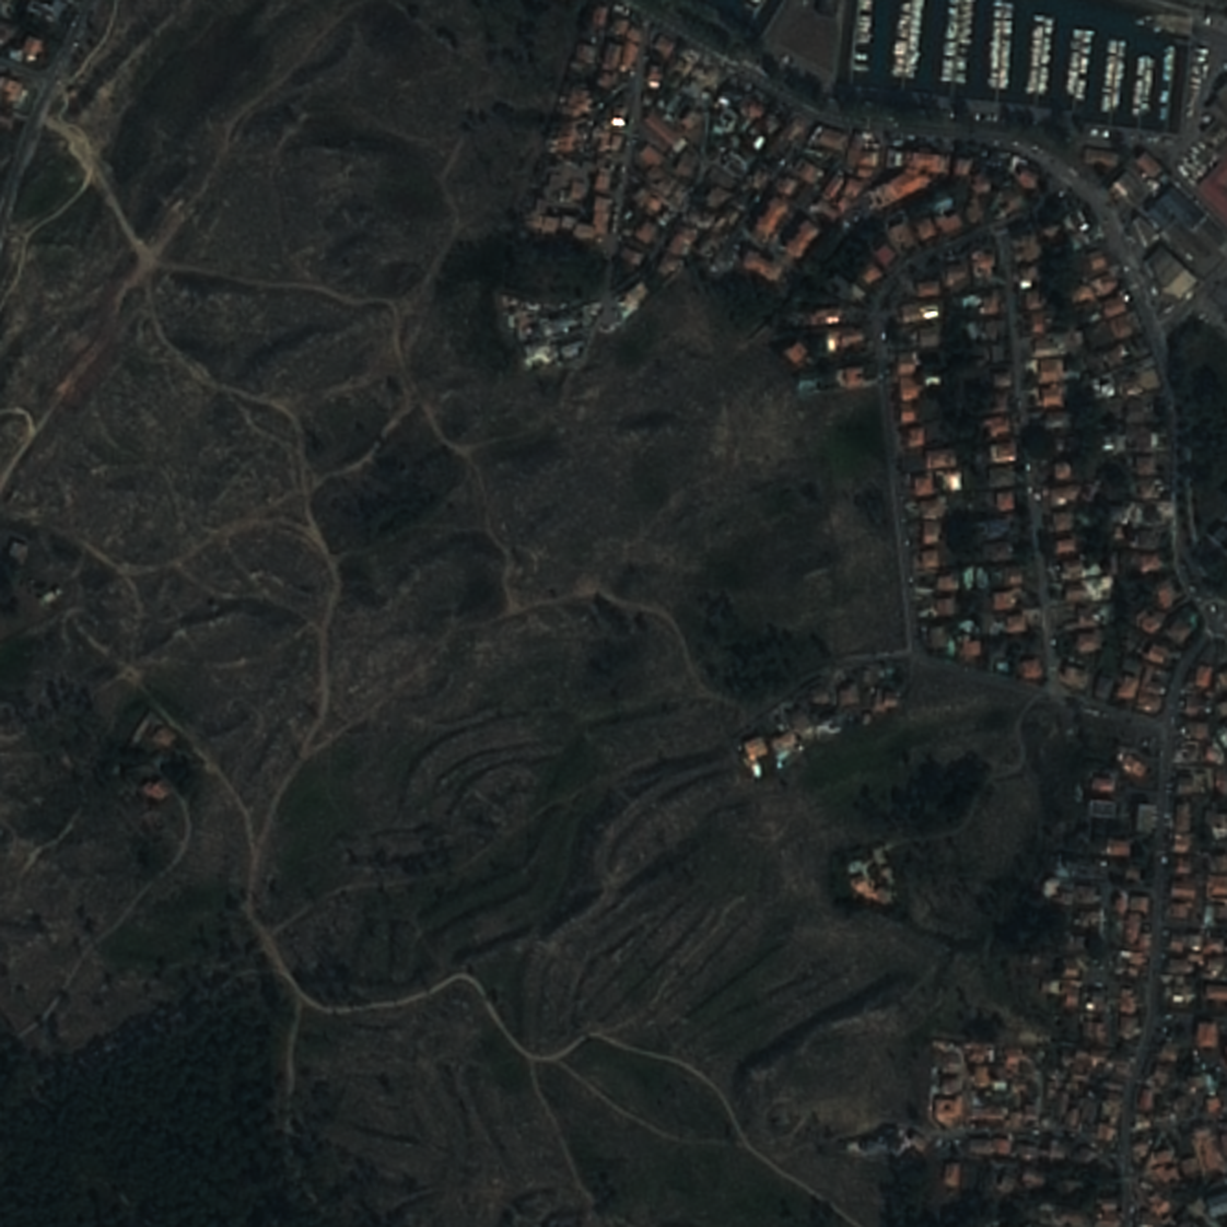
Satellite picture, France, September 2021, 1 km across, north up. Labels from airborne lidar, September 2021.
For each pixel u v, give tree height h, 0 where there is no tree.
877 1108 0
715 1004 0
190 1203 23
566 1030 0
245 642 0
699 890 0
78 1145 25
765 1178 0
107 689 0
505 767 0
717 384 0
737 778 0
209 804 0
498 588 0
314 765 0
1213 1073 6
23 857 0
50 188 0
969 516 6
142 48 0
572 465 0
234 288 0
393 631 0
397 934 10
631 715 0
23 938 0
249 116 0
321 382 0
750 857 0
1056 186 0
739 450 0
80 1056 0
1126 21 0
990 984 0
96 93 0
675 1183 0
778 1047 0
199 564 0
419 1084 0
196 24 0
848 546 0
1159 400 6
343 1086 0
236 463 0
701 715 0
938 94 0
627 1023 0
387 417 0
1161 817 0
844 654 0
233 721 0
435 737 0
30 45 0
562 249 20
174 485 0
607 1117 0
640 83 0
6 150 0
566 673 0
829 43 0
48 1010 0
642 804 0
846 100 20
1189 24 0
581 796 0
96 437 0
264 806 0
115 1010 0
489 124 0
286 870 0
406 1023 0
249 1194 25
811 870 0
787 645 0
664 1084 0
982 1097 6
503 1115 0
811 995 0
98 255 0
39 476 0
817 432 0
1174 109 0
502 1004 0
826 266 7
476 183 0
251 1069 24
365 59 0
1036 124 17
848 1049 0
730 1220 0
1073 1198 7
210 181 0
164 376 0
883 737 0
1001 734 0
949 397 9
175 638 0
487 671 0
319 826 0
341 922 0
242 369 0
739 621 0
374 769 0
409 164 0
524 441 0
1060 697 0
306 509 0
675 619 0
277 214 0
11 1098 19
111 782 17
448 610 0
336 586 0
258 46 0
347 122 0
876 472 0
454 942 0
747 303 14
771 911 0
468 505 0
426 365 0
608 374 0
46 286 0
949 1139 0
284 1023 23
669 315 0
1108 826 8
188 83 0
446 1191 0
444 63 0
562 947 0
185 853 0
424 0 0
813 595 0
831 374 17
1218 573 20
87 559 0
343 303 0
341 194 0
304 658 0
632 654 0
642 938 0
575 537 0
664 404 0
